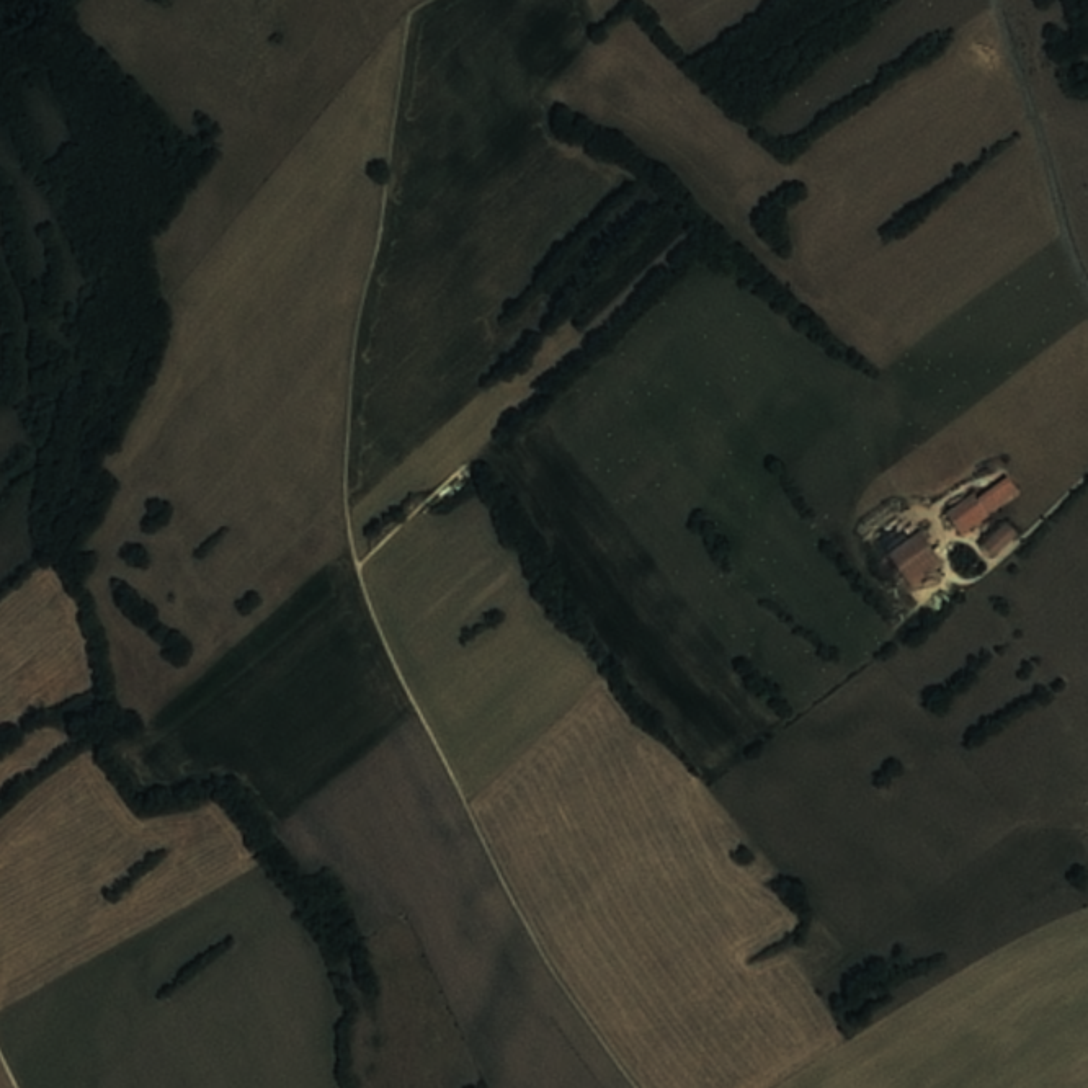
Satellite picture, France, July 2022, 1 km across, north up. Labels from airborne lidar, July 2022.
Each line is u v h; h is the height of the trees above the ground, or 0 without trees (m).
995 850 0
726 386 0
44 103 0
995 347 0
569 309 20
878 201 0
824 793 0
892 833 0
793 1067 0
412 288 0
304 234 0
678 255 16
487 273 0
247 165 0
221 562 0
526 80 0
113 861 0
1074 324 0
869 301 0
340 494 0
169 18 0
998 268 0
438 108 0
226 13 0
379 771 0
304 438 0
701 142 0
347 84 0
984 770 0
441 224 0
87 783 0
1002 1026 0
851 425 0
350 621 0
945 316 0
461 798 0
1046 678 0
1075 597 0
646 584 0
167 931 0
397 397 0
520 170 0
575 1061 0
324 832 0
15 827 0
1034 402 0
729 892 0
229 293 0
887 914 0
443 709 0
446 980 0
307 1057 0
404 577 0
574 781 0
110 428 14
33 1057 0
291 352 0
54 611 0
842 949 0
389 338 0
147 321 12
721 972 0
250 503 0
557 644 0
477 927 0
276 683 0
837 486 0
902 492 0
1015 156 0
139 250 16
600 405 0
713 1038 0
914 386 0
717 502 0
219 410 0
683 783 0
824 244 0
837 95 0
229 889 0
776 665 0
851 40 14
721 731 0
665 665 0
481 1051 0
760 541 0
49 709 18
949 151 0
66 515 14
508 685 0
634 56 0
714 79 13
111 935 0
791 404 0
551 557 22
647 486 0
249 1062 0
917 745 0
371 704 0
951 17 0
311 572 0
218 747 0
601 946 0
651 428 0
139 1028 0
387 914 0
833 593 0
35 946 0
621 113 0
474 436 0
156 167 14
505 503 15
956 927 0
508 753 0
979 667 15
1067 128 0
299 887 6
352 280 0
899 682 0
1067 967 0
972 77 0
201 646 0
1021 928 0
